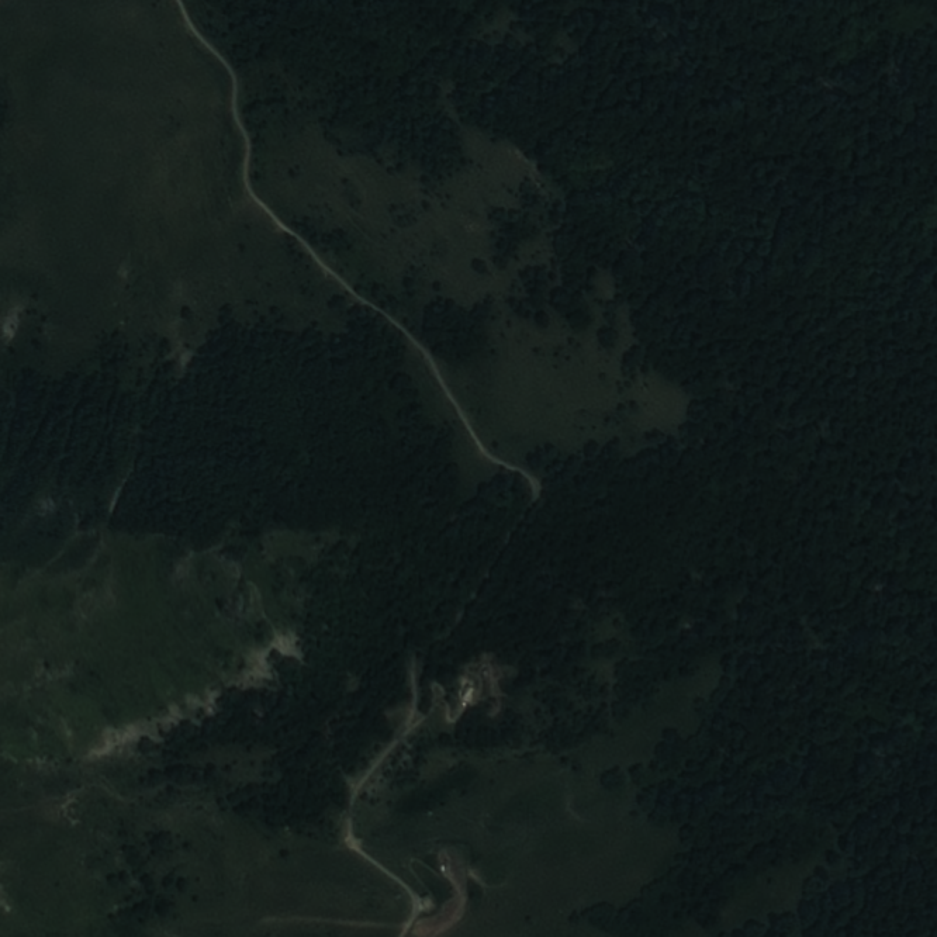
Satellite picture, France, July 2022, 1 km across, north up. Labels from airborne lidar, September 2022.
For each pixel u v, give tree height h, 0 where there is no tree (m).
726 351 22
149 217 0
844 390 24
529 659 13
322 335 9
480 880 0
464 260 0
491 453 0
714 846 15
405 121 13
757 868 9
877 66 19
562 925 0
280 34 17
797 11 30
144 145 0
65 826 0
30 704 0
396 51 26
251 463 17
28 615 0
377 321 17
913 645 30
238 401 17
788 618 14
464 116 12
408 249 0
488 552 19
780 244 29
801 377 18
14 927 0
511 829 0
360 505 22
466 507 10
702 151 16
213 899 0
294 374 12
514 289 6
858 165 28
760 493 17
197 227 0
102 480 7
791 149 7
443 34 24
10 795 0
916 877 22
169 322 0
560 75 16
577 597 11
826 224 28
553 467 7
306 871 0
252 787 12
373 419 21
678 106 33
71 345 0
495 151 0
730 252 29
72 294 0
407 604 20
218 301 0
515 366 0
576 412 0
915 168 30
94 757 0
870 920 22
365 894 0
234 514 7
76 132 0
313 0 28
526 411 0
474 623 14
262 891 0
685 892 13
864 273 16
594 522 15
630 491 23
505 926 0
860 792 12
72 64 0
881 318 14
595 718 12
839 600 30
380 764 0
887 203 21
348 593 14
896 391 19
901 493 30
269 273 0
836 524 21
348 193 0
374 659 23
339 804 11
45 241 0
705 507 15
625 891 0
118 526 11
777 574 22
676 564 16
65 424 20
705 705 8
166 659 0
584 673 6
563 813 0
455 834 0
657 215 25
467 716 13
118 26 0
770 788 22
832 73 26
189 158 0
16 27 0
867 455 7
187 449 9
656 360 6
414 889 0
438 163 9
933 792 21
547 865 0
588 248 18
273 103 13
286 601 0
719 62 30
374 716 16
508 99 23
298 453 10
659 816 10
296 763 9
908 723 17
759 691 24
